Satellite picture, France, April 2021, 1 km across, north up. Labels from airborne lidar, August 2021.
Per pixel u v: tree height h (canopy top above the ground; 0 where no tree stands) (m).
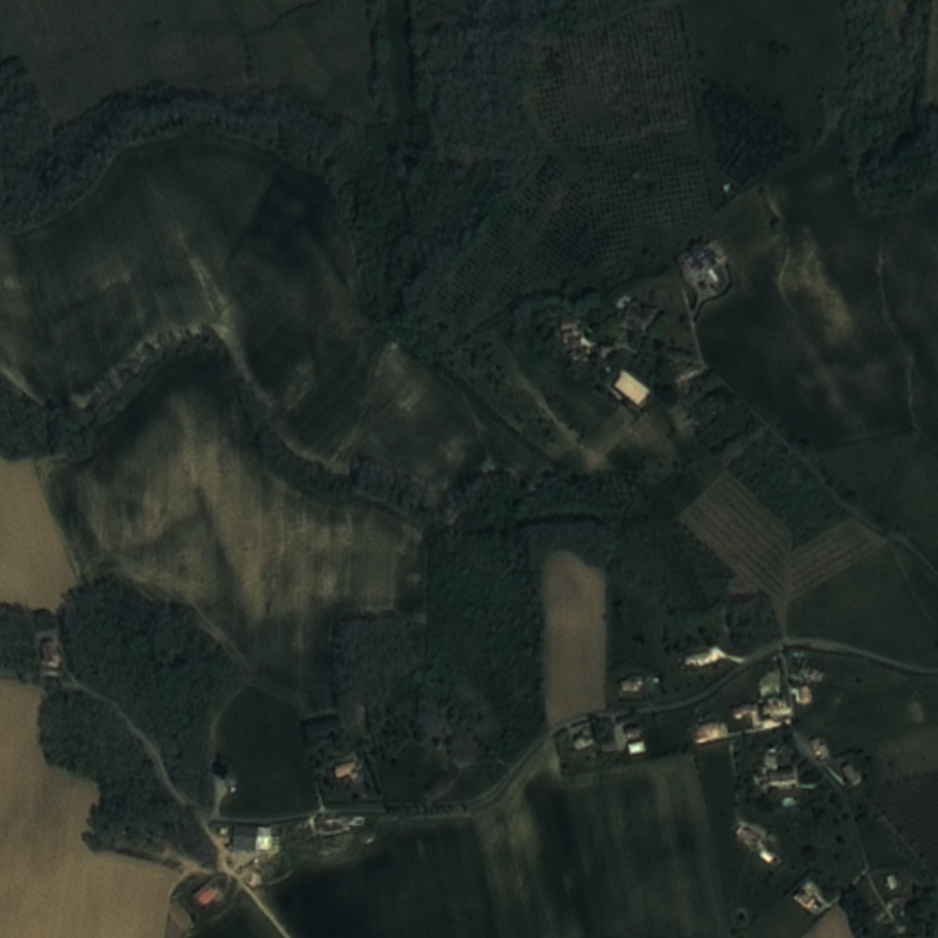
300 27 0
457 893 0
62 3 0
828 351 0
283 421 0
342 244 0
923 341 0
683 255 7
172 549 0
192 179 0
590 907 0
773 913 0
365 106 0
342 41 0
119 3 0
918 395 0
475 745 12
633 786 0
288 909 0
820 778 8
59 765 13
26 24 0
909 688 0
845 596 0
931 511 0
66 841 0
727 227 0
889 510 0
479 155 14
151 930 0
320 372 0
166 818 20
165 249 0
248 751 0
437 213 9
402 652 20
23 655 17
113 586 14
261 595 0
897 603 0
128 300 0
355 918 0
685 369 0
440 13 0
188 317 0
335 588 0
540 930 0
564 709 0
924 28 6
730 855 0
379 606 0
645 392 0
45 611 7
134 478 0
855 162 16
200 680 20
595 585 0
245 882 0
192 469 0
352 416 0
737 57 0
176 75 0
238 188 0
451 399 0
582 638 0
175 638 26
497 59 19
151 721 18
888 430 0
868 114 20
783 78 0
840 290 0
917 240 0
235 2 0
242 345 0
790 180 0
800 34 0
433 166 8
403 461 0
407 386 0
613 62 9
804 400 0
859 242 0
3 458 12
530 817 0
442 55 16
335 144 18
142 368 15
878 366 0
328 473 14
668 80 8
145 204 0
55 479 0
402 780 0
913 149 24
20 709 0
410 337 13
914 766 0
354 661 20
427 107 19
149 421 0
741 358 0
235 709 0
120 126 19
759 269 0
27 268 0
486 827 0
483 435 0
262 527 0
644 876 0
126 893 0
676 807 0
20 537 0
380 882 0
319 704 0
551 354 6
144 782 18
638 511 0
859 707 0
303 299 0
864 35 19
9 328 0
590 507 15
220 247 0
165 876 0
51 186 16
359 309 0
